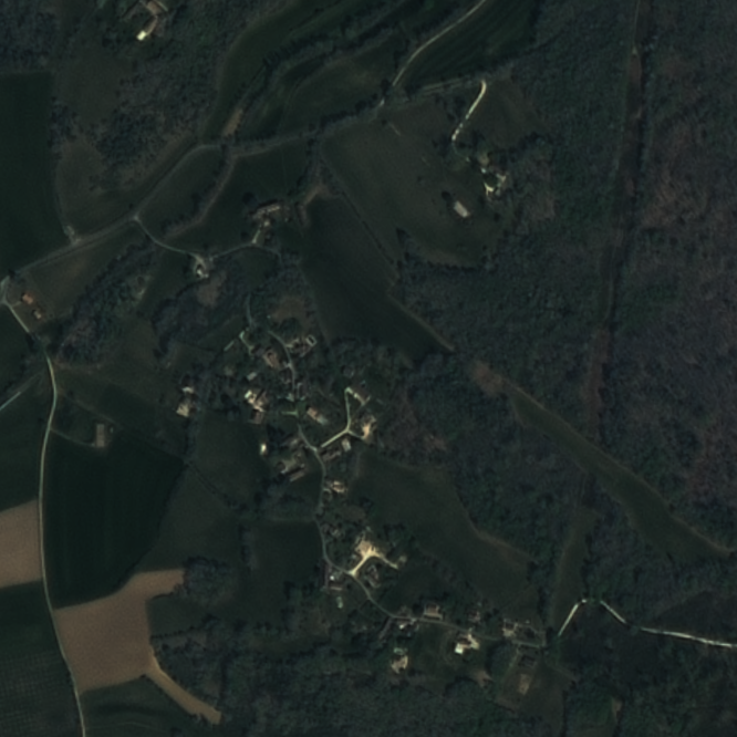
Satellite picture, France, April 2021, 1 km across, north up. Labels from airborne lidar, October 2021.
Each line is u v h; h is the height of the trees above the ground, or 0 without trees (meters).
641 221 19
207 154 0
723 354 19
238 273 8
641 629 9
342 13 0
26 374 17
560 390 14
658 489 19
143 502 0
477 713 25
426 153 0
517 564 0
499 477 13
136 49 15
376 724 23
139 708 0
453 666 0
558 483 21
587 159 17
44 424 12
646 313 20
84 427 0
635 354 19
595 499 16
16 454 0
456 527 0
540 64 13
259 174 0
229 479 0
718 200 14
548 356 14
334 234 0
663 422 19
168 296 0
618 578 25
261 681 16
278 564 0
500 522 16
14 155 0
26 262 0
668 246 17
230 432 0
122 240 0
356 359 8
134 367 0
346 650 0
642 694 6
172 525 0
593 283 15
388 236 0
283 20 0
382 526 0
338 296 0
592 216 19
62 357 25
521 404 0
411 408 7
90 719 0
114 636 0
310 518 21
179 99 14
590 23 19
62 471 0
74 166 0
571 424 13
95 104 0
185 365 0
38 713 7
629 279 17
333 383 15
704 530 20
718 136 16
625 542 19
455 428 24
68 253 0
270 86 15
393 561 8
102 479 0
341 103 0
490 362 12
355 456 17
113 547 0
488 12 0
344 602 0
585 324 20
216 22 15
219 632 21
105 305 12
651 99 16
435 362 20
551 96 22
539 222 21
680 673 17
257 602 0
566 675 0
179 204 0
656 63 20
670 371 20
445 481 0
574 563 0
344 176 0
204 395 18
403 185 0
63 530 0
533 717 0
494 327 20
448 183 0
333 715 16
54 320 0
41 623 0
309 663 22
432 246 0
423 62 0
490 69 0
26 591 0
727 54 15
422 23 0
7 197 0
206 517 0
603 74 19
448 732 22
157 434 8
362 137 0
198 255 0
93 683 0
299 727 20
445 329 21
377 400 0
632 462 20
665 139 9
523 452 13
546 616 13
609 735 0
